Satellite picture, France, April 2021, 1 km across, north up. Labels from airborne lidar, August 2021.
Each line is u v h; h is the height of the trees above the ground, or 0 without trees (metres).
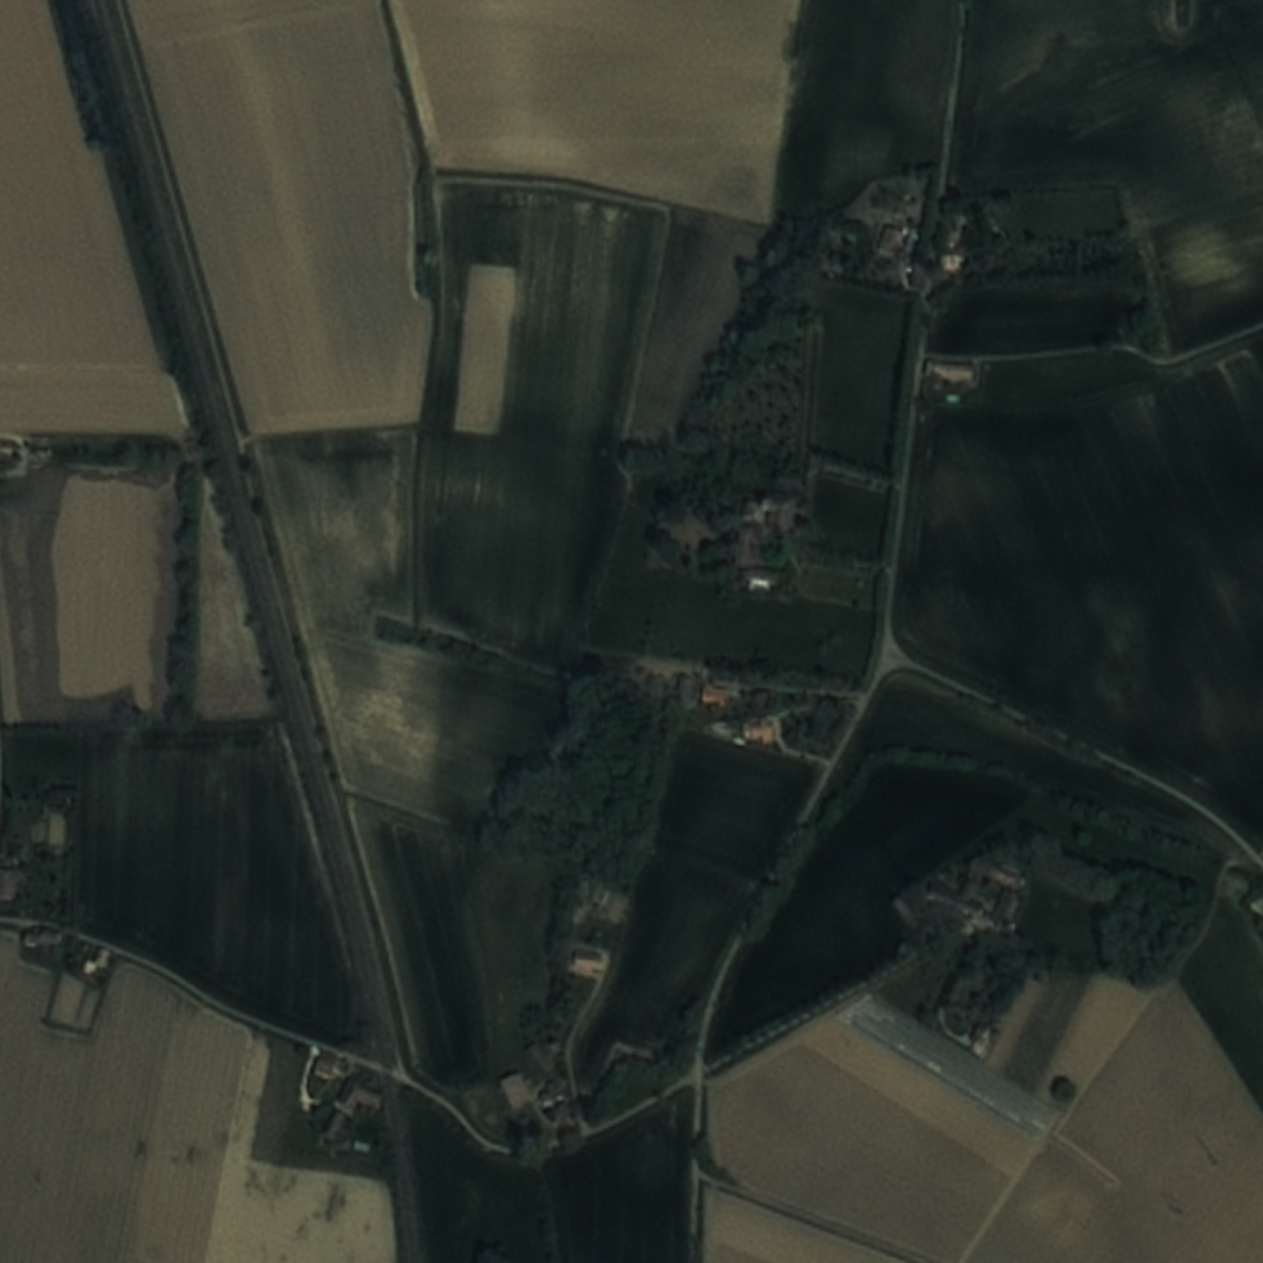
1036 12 0
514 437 0
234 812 0
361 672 0
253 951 0
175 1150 0
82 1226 0
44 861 7
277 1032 0
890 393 0
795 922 0
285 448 0
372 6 0
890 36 0
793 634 0
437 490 0
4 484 13
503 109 0
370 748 0
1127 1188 0
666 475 13
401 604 0
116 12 7
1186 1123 0
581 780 27
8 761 0
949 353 0
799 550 16
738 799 0
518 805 24
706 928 0
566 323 0
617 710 23
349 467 0
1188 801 0
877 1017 0
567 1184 0
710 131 0
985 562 0
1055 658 0
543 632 0
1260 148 0
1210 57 0
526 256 0
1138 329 16
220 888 0
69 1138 0
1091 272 7
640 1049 0
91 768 0
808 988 0
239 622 0
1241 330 0
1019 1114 0
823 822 7
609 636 0
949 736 0
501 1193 0
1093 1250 0
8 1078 0
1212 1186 0
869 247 0
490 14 0
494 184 0
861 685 10
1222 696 0
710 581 11
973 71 0
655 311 0
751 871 0
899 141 0
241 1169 0
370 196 0
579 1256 0
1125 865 0
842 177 0
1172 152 0
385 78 0
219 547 0
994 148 0
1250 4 0
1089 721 0
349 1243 0
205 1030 0
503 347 0
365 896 0
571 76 0
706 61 0
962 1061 0
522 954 0
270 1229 0
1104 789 0
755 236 0
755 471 13
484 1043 0
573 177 0
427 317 0
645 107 0
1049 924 0
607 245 0
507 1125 0
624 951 0
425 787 0
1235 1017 0
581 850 20
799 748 9
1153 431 0
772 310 14
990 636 0
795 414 7
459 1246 0
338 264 0
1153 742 0
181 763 0
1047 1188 0
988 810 0
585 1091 0
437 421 0
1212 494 0
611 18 0
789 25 0
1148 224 0
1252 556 0
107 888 0
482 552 0
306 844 0
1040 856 27
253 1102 0
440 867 0
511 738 0
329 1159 0
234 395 0
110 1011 0
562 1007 7
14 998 0
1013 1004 15
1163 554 0
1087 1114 0
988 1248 0
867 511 0
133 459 18
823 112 0
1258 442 0
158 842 0
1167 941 13
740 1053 10
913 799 0
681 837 0
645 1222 0
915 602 0
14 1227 0
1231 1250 0
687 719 15
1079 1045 0
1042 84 0
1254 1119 0
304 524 0
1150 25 0
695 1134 0
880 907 0
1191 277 0
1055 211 0
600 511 0
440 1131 0
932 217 6
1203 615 0
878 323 0
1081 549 0
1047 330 0
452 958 0
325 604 0
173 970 0
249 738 0
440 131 0
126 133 6
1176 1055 0
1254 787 0
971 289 9
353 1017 0
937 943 10
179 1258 0
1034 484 0
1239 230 0
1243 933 0
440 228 0
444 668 0
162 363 0
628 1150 0
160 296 7
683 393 0
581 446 0
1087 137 0
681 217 0
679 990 0
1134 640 0
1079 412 0
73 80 7
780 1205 0
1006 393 0
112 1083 0
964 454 0
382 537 0
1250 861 0
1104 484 0
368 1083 7
